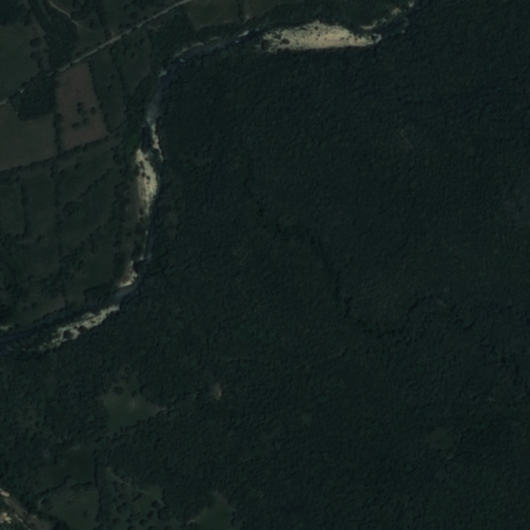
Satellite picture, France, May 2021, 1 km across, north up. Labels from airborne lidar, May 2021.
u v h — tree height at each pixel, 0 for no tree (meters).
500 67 16
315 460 9
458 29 12
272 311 9
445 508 13
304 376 11
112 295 15
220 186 8
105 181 9
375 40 11
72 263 9
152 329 12
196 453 7
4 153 0
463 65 15
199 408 11
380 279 7
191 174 9
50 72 8
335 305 17
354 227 9
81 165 9
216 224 12
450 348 10
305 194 9
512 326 14
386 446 9
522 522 9
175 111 7
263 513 12
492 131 12
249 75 10
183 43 11
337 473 9
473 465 10
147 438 11
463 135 8
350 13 13
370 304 12
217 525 0
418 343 10
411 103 13
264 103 14
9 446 11
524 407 12
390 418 7
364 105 14
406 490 10
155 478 12
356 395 10
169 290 9
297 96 13
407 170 9
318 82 9
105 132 0
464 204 6
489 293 12
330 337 8
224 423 14
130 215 0
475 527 11
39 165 8
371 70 14
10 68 0
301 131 8
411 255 8
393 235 12
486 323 14
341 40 0
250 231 11
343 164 7
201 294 13
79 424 11
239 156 12
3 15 8
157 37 10
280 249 13
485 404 6
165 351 8
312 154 7
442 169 9
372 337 21
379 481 8
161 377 10
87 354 18
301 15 6
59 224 8
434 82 14
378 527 12
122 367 7
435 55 14
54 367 16
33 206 0
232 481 9
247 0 0
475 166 6
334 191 12
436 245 10
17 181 9
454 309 14
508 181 8
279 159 10
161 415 9
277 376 10
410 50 12
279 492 9
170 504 12
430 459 10
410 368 12
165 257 12
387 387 10
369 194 8
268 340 11
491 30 11
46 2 9
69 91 0
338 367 11
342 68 12
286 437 9
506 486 9
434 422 6
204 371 11
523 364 14
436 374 11
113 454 10
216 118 9
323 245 17
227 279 13
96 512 0
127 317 13
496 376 11
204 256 12
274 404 9
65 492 18
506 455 6
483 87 8
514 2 15
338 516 8
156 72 7
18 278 11
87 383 14
